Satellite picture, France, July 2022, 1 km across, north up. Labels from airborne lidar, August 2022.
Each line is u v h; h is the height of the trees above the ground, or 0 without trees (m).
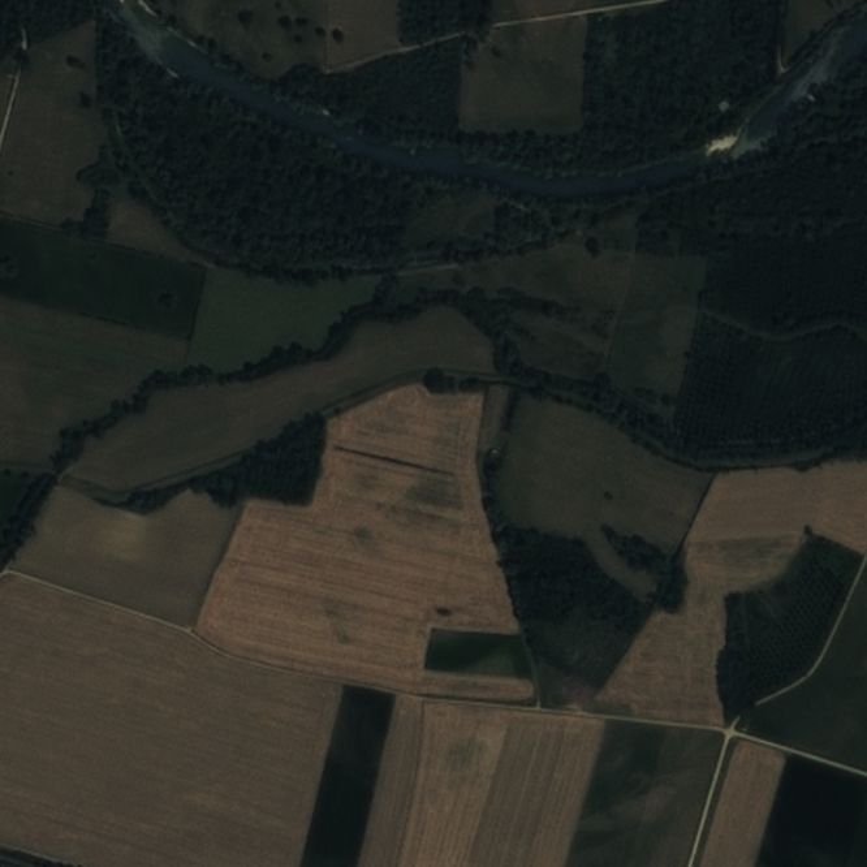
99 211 13
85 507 0
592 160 14
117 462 0
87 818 0
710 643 0
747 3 13
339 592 0
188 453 0
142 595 0
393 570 0
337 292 0
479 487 0
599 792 0
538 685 0
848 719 0
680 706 0
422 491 0
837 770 0
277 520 0
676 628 0
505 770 0
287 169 8
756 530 0
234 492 11
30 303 0
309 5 0
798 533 0
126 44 6
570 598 14
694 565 0
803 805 0
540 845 0
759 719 0
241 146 7
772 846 0
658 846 0
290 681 0
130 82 19
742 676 31
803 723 0
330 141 16
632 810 0
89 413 0
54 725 0
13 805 0
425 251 6
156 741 0
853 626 0
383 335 0
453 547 0
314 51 0
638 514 0
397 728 0
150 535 0
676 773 0
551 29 0
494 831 0
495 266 0
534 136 12
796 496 0
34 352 0
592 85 8
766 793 0
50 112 0
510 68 0
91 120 0
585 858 0
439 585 0
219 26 0
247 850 0
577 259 0
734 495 0
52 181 0
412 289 0
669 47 16
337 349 9
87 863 0
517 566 12
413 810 0
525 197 10
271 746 0
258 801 0
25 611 0
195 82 15
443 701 0
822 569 18
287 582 0
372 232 28
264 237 12
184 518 0
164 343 0
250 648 0
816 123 15
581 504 0
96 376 0
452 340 0
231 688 0
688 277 0
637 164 16
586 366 0
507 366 11
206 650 0
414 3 16
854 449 19
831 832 0
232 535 0
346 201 28
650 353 0
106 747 0
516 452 0
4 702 0
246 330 0
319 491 0
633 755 0
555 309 15
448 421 0
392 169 6
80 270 0
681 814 0
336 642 0
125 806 0
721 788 0
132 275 0
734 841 0
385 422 0
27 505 12
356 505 0
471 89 0
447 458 0
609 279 0
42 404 0
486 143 22
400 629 0
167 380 18
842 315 14
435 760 0
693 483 0
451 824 0
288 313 0
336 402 0
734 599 10
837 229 6
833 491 0
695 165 0
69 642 0
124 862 0
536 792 0
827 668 0
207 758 0
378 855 0
